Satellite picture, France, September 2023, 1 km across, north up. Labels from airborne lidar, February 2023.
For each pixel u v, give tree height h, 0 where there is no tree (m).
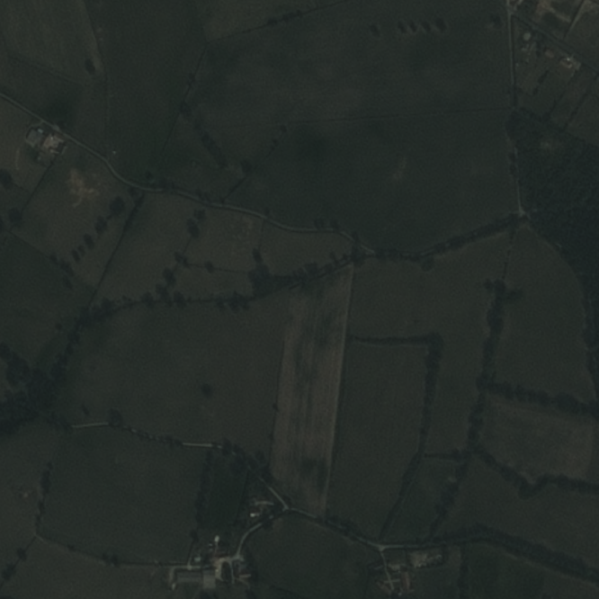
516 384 0
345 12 0
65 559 0
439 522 6
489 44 0
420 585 0
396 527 0
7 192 0
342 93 0
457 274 0
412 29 11
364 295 0
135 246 0
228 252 0
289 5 0
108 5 0
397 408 0
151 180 9
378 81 0
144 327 0
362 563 0
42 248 0
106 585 0
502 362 0
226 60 0
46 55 0
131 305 5
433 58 0
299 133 0
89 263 0
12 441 0
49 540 0
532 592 0
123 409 0
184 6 0
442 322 0
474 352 0
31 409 18
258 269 0
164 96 0
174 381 0
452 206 0
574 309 0
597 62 0
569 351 0
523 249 0
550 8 0
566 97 0
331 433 0
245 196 0
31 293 0
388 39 0
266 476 17
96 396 0
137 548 0
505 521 0
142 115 0
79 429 0
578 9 0
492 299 0
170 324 0
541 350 0
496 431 0
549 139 0
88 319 21
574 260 15
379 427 0
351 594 0
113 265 0
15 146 0
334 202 0
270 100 0
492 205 0
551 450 0
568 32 0
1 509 0
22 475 0
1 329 0
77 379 0
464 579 7
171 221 0
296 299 0
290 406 0
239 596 0
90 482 0
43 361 0
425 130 0
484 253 0
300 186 0
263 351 0
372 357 0
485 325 0
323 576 0
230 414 0
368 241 0
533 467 0
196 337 0
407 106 0
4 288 0
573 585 0
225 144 0
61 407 0
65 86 0
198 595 0
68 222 0
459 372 0
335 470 0
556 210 20
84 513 0
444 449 0
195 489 0
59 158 0
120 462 0
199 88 0
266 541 0
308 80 0
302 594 0
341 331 0
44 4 0
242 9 0
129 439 0
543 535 0
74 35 0
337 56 0
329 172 0
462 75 0
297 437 0
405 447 0
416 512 0
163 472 0
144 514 0
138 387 0
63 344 0
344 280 0
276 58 0
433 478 0
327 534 0
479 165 0
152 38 0
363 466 0
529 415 0
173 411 0
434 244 0
